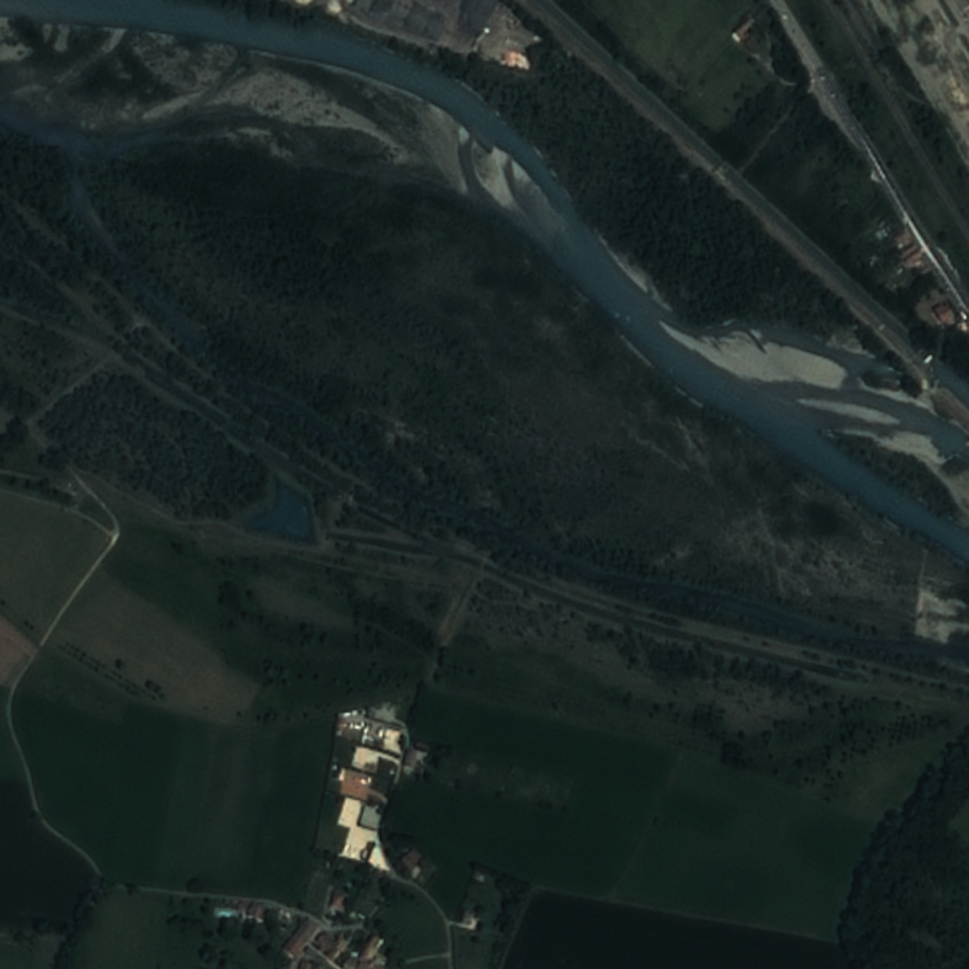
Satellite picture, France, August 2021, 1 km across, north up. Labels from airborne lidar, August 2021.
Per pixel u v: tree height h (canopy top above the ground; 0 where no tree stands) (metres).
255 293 8
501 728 0
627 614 12
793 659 0
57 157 12
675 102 8
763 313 10
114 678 7
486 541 21
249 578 0
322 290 7
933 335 17
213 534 0
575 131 12
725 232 16
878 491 0
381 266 10
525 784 0
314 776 0
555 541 11
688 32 0
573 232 0
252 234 18
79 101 0
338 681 8
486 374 7
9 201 12
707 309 14
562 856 0
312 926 0
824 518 6
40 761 0
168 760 0
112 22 0
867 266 9
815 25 9
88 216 0
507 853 0
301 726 0
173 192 9
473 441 15
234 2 8
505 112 12
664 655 11
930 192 0
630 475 6
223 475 18
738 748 15
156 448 16
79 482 0
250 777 0
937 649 0
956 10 0
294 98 0
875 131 8
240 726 0
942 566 0
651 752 0
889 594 0
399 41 8
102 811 0
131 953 0
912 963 6
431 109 0
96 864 0
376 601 7
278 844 0
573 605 0
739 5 0
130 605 0
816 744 0
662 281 10
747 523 0
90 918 18
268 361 13
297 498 0
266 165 7
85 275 22
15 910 0
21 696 0
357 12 0
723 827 0
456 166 0
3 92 0
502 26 0
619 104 9
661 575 11
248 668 0
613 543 7
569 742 0
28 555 0
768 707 0
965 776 22
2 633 0
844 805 0
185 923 10
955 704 0
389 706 0
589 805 0
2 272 26
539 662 0
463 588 0
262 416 16
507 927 17
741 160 5
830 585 0
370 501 19
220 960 10
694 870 0
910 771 0
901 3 0
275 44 0
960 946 8
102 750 0
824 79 0
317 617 0
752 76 0
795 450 0
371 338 7
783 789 0
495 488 10
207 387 15
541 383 0
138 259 22
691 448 0
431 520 17
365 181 6
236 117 0
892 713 0
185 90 0
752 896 0
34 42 6
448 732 0
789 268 14
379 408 13
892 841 29
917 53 0
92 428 10
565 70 9
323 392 15
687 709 0
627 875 0
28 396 17
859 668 14
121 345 15
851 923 22
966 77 0
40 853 0
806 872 0
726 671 12
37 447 0
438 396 9
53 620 0
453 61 18
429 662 0
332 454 16
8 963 0
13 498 0
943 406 0
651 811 0
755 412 0
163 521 0
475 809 0
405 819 0
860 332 11
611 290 0
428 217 6
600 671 0
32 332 9
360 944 8
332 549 0
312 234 7
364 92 0
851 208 10
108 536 0
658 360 0
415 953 0
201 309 8
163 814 0
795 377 0
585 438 0
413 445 12
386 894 14
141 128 0
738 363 0
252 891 0
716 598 0
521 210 0
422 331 11
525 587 0
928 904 11
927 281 9
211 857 0
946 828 13
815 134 10
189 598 0
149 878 0
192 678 0
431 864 8
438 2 0
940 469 0
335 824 0
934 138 12
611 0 0
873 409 0
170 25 0
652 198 15
